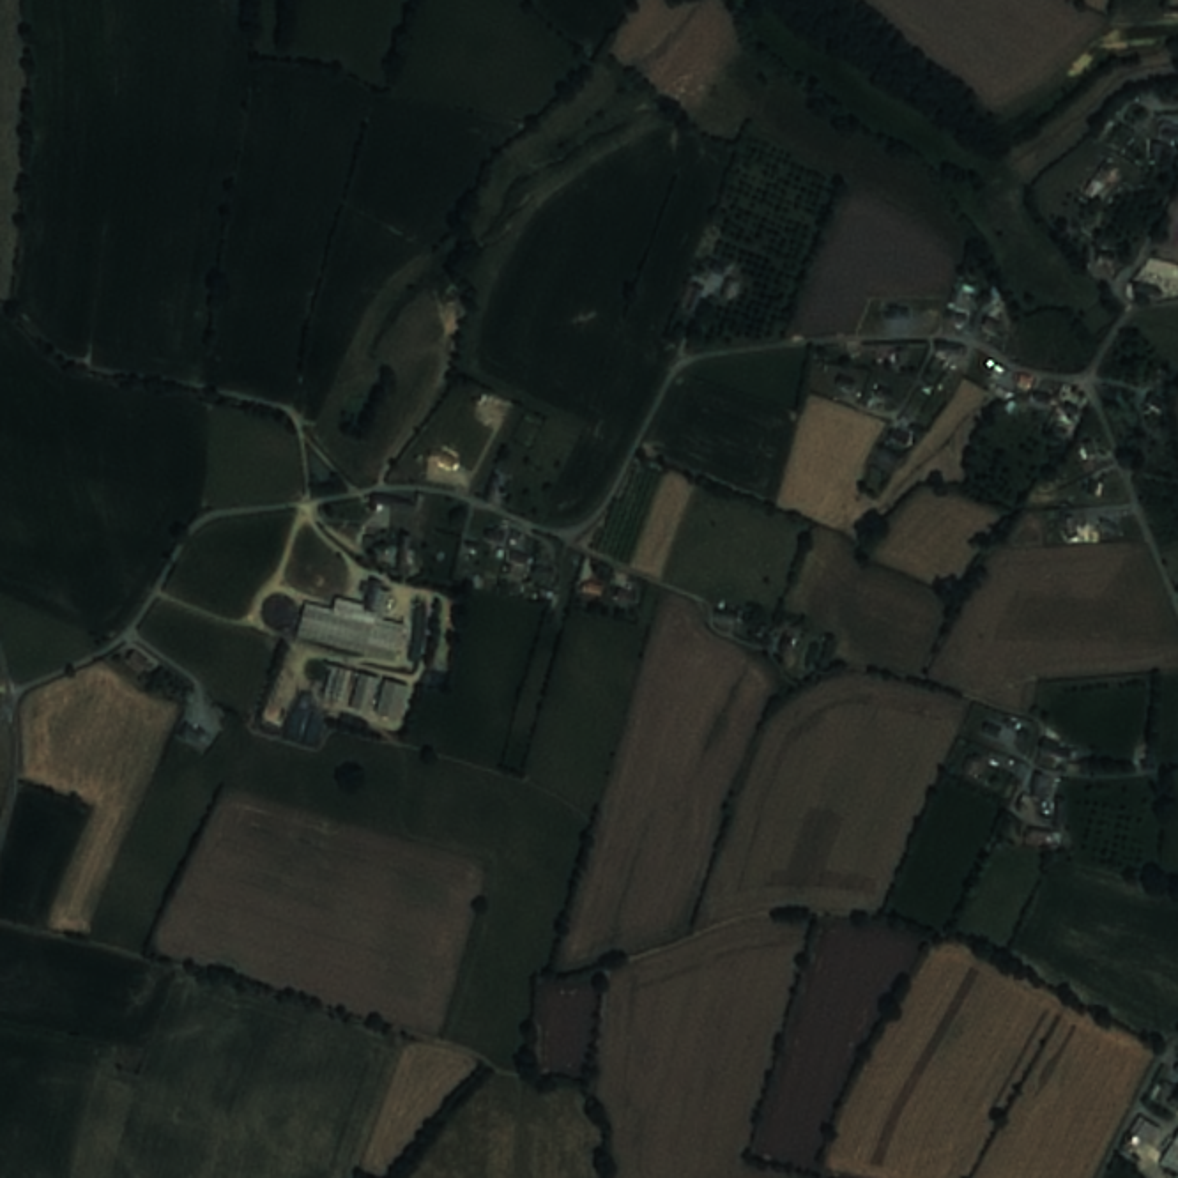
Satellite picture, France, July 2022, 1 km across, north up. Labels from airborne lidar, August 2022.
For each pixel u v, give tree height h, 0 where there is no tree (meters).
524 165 0
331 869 0
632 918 0
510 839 0
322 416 0
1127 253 16
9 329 0
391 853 0
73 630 0
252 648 0
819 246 11
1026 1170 0
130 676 0
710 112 0
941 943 10
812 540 11
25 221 12
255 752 0
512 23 0
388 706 0
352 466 0
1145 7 0
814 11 10
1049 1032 0
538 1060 12
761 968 0
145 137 0
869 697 0
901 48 16
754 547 0
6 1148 0
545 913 0
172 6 0
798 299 7
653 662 0
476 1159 0
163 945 0
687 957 0
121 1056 0
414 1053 0
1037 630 0
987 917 0
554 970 8
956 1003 0
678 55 0
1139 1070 0
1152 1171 0
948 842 0
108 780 0
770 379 0
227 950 0
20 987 0
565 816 0
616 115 0
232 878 0
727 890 0
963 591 20
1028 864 0
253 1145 0
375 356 0
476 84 0
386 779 0
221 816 0
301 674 0
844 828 0
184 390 7
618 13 0
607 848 0
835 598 0
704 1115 0
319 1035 0
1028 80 0
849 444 0
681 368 0
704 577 0
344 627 0
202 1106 0
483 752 0
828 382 0
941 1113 0
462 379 9
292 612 0
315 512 0
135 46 0
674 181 5
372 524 0
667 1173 0
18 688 0
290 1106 0
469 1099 9
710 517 0
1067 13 0
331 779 0
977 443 7
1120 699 0
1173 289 0
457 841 0
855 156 0
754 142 6
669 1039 0
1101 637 0
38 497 0
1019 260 0
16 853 0
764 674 0
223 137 0
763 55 10
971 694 0
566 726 0
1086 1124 0
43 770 0
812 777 0
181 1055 0
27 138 13
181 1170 0
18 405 0
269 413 14
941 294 0
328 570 0
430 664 7
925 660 0
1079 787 0
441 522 0
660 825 0
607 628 0
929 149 0
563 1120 0
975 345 0
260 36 14
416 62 0
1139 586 0
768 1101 6
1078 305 0
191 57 0
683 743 0
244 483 0
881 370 8
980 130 9
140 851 0
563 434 0
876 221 0
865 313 0
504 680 0
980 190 12
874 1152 0
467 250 20
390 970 0
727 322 6
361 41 0
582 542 0
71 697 0
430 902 0
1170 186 12
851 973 0
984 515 0
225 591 0
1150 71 0
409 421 0
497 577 0
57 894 0
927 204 0
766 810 0
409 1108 0
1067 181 0
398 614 0
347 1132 0
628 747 0
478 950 0
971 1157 0
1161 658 0
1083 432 7
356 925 0
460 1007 0
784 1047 9
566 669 0
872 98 0
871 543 18
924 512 0
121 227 0
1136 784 0
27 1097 0
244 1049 0
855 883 0
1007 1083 0
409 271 0
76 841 0
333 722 6
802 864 0
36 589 0
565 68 0
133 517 0
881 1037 6
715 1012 0
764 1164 9
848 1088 6
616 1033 0
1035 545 0
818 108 17
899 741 0
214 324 8
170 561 11
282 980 0
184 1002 0
